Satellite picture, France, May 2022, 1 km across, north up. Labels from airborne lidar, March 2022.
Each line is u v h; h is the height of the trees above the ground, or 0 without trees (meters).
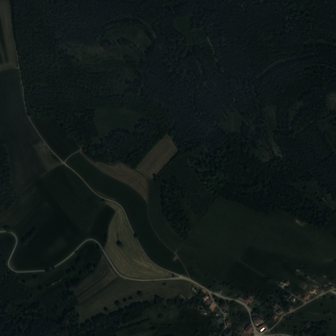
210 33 29
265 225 0
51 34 15
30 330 23
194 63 32
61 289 0
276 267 0
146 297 0
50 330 22
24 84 10
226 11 22
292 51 16
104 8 23
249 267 0
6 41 0
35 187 0
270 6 17
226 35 25
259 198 16
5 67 0
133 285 0
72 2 21
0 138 11
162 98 25
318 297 0
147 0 23
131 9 25
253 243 0
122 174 0
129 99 9
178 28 0
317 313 0
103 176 0
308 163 23
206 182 27
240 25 17
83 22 26
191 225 0
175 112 28
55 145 0
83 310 0
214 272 0
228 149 21
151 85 29
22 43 22
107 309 13
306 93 19
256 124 27
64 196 0
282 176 19
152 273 0
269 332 0
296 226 0
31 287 0
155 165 0
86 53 0
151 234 0
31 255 0
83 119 12
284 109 8
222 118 32
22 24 23
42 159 0
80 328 19
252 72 17
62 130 0
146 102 8
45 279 0
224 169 8
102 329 22
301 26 22
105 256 0
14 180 0
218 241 0
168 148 0
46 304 0
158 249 0
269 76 20
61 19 22
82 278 0
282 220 0
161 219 0
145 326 0
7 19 0
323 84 11
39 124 0
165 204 20
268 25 17
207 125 28
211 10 17
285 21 25
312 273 0
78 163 0
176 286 0
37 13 20
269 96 16
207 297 0
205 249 0
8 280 12
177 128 29
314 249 0
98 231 0
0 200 11
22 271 0
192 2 22
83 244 0
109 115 0
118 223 0
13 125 0
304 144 15
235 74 21
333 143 0
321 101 20
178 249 0
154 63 28
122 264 0
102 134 0
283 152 14
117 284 0
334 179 22
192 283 0
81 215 0
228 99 32
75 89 17
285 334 0
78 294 0
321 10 17
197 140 16
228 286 8
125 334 0
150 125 22
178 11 26
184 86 30
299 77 14
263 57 22
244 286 0
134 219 0
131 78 0
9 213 0
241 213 0
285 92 18
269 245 0
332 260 0
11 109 0
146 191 0
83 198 0
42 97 10
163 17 25
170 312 0
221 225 0
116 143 27
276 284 0
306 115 23
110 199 0
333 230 0
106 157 18
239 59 17
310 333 9
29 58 9
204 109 36
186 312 0
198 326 0
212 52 10
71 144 0
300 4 18
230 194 7
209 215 0
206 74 34
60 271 0
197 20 17
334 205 0
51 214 0
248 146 8
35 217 0
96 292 0
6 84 0
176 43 26
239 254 0
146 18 26
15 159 0
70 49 24
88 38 23
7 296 12
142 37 0
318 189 0
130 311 18
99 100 12
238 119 0
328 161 21
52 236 0
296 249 0
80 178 0
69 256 0
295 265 0
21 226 0
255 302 0
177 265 0
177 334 0
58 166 0
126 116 0
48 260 0
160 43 28
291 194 10
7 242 0
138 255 0
